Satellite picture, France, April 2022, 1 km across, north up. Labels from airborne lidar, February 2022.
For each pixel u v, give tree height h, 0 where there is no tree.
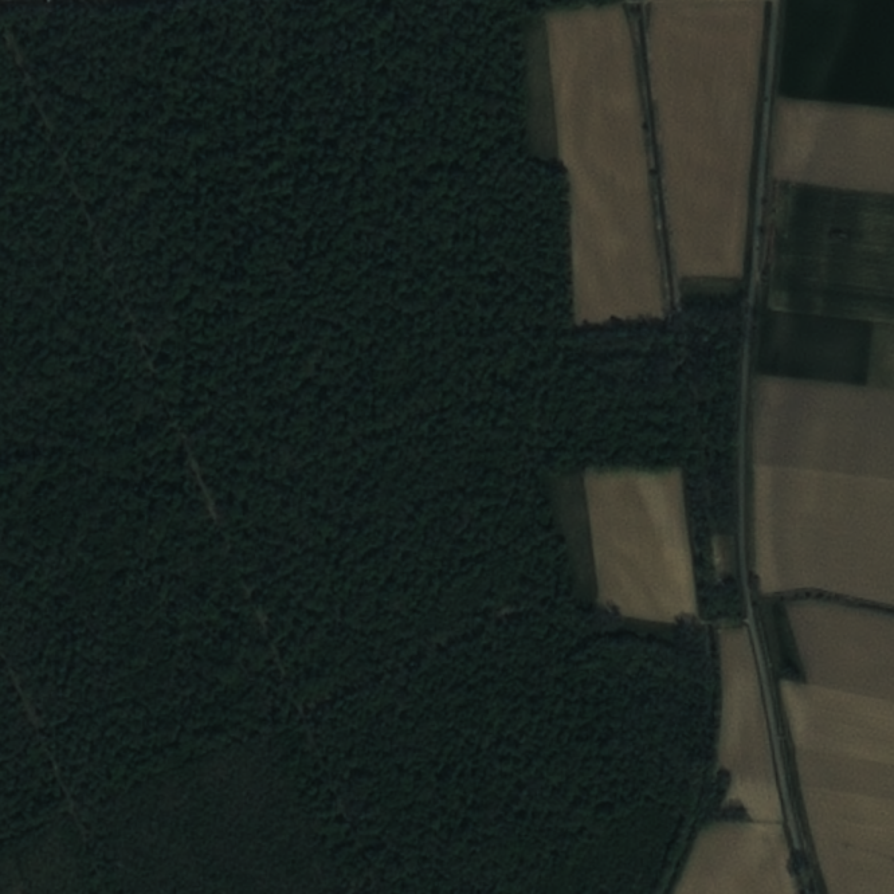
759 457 0
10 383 24
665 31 0
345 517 19
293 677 14
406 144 21
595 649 12
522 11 11
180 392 23
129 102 20
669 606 0
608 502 0
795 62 0
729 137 0
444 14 17
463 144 21
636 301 0
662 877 12
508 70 19
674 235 0
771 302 0
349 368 22
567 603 20
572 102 0
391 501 12
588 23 0
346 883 17
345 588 17
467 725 18
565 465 18
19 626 18
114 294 16
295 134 23
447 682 17
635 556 0
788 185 0
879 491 0
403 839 15
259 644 24
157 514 22
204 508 19
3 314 19
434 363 20
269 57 23
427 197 21
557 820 16
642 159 0
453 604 10
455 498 19
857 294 0
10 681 17
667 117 0
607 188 0
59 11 16
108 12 19
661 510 0
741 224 0
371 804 17
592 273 0
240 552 24
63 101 23
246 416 14
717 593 20
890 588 0
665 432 24
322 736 21
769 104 0
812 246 0
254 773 12
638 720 26
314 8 23
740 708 0
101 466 22
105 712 20
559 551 12
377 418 23
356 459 17
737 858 0
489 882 16
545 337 20
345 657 9
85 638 16
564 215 13
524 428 20
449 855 18
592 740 20
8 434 13
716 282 0
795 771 0
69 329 24
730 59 0
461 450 15
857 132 0
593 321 0
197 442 22
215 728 6
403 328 25
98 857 21
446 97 20
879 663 0
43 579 16
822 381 0
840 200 0
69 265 23
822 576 0
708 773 15
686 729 19
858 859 0
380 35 21
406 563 15
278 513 19
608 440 20
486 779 19
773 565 0
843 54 0
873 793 0
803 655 0
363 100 22
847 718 0
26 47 21
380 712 19
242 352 20
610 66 0
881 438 0
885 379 0
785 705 0
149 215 21
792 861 0
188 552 24
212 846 11
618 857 10
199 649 11
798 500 0
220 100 9
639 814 12
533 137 0
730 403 15
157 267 21
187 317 22
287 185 20
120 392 21
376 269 20
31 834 17
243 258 23
